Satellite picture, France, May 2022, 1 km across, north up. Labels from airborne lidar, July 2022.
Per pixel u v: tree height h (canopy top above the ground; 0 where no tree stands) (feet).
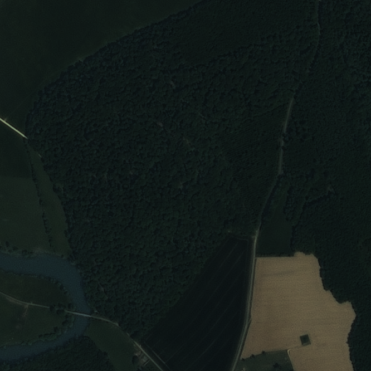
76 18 0
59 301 0
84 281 47
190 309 0
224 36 52
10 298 0
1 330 0
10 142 0
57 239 0
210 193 85
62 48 0
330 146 63
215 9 62
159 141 85
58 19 0
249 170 31
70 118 93
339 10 66
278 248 0
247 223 82
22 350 0
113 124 73
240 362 0
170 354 0
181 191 80
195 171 54
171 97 96
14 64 0
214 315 0
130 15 0
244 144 29
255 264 0
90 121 63
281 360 0
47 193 0
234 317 0
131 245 61
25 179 0
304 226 62
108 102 72
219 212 89
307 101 54
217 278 0
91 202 81
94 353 48
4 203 0
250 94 83
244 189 30
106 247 73
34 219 0
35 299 0
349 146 56
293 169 31
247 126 28
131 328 87
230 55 96
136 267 63
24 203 0
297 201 71
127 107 87
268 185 36
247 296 0
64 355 44
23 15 0
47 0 0
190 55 59
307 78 50
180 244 78
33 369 69
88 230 72
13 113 0
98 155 70
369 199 62
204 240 69
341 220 73
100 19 0
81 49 0
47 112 69
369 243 31
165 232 71
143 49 96
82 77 77
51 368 45
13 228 0
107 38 0
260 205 29
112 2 0
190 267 81
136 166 78
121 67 78
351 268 79
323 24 79
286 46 81
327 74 55
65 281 0
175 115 84
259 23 63
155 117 67
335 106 55
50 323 0
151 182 81
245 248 0
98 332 0
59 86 82
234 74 85
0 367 100
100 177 82
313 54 65
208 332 0
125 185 87
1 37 0
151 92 87
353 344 50
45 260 0
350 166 61
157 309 81
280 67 97
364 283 67
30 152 23
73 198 74
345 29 72
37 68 0
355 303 58
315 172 99
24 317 0
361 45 28
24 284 0
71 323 51
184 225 88
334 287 62
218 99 66
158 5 0
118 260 61
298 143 31
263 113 24
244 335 0
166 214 73
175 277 89
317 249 58
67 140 73
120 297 52
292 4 73
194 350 0
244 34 54
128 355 0
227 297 0
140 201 83
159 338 0
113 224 62
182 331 0
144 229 66
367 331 64
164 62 88
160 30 85
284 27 63
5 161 0
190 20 59
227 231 58
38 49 0
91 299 65
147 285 73
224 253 0
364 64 49
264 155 31
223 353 0
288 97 70
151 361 0
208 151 74
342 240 70
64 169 72
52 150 84
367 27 57
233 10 57
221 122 34
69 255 0
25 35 0
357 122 90
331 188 19
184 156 80
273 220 0
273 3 67
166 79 101
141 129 90
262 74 92
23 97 0
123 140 82
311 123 60
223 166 67
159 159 91
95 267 77
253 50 69
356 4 101
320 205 77
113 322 47
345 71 71
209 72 88
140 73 65
